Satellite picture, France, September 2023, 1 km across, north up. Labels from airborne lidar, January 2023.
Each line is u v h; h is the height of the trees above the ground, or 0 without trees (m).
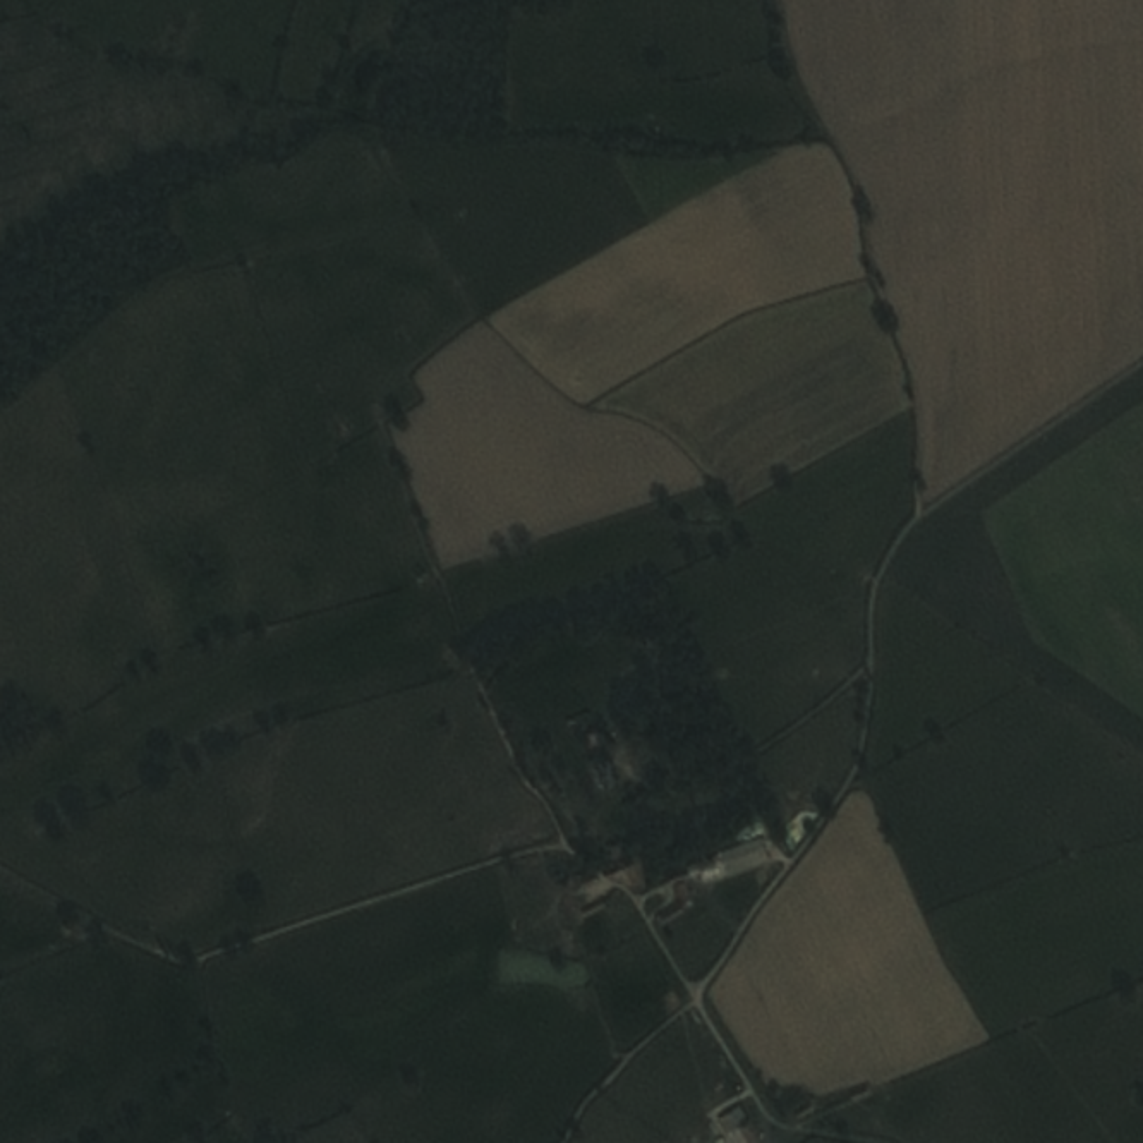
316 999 0
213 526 0
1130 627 0
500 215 0
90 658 0
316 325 0
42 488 0
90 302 10
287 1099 0
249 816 0
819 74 0
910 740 0
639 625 15
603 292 0
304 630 0
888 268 0
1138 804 0
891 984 0
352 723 0
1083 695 0
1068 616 0
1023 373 0
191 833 0
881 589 0
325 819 0
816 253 0
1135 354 0
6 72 0
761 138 0
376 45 0
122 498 0
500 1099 0
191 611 0
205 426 0
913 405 0
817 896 0
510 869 10
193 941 0
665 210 0
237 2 0
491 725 0
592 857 17
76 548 0
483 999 0
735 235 0
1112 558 0
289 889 0
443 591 0
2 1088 0
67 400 0
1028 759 0
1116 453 0
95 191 19
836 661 0
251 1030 0
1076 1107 0
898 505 0
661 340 0
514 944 0
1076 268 0
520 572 0
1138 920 0
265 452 0
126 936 0
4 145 0
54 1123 0
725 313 0
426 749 0
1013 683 0
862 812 0
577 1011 0
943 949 0
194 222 0
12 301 20
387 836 0
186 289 0
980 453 0
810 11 0
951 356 0
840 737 0
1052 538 0
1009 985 0
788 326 0
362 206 0
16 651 0
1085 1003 0
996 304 0
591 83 0
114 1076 0
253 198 0
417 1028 0
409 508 0
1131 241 0
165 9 0
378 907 0
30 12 0
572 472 0
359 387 0
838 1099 0
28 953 0
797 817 0
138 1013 0
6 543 0
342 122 6
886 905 0
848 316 0
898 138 0
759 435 0
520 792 0
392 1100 0
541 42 0
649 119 0
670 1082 0
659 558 0
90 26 0
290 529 0
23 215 0
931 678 0
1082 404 0
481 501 0
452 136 18
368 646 0
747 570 0
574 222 0
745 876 0
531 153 0
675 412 0
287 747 0
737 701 0
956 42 0
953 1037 0
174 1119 0
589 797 21
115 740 0
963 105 0
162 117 0
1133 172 0
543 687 0
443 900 0
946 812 0
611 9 0
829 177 0
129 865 0
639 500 0
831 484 0
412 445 0
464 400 0
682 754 25
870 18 0
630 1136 0
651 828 24
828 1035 0
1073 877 0
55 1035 0
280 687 0
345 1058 0
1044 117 0
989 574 0
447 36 13
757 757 16
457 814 0
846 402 0
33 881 0
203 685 0
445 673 0
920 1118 0
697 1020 0
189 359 0
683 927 0
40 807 0
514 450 0
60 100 0
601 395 0
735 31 0
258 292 0
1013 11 0
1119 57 0
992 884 0
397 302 0
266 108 9
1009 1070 0
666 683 15
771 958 0
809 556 0
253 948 12
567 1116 0
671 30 0
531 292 0
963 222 0
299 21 0
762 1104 0
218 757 17
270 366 0
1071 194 0
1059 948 0
